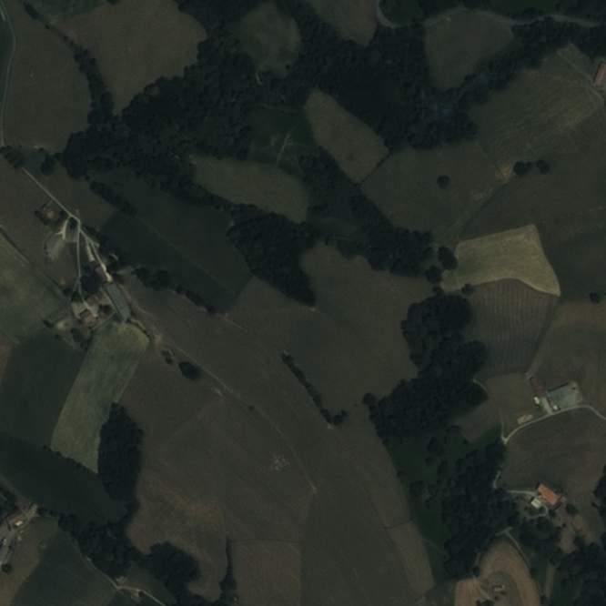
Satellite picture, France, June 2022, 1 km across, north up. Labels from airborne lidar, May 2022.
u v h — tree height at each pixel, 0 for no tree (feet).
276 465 0
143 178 54
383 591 0
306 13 54
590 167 0
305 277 57
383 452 0
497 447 50
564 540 0
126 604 0
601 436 0
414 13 0
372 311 0
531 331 0
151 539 0
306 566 0
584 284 0
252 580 0
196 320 0
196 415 0
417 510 0
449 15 0
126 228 0
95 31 0
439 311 61
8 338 0
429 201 0
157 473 0
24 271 0
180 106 51
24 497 0
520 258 0
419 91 27
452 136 75
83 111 0
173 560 86
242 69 102
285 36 0
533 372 0
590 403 0
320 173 27
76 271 0
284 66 0
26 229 0
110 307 36
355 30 0
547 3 0
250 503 0
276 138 0
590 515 0
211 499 0
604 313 0
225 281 0
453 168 0
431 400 41
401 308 0
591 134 0
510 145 0
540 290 0
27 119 0
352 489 0
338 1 0
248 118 32
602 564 50
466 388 56
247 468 0
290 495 0
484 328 0
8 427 0
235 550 0
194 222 0
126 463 64
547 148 0
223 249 0
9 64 0
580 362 0
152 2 0
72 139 38
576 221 0
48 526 0
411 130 69
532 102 0
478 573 29
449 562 33
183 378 0
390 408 75
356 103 39
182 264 0
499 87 51
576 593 53
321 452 0
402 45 69
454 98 52
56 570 0
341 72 48
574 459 0
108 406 0
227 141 49
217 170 0
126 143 32
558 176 0
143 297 0
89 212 0
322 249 0
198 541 0
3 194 0
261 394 0
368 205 35
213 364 0
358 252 20
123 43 0
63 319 0
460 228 0
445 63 0
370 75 31
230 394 0
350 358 0
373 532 0
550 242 0
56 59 0
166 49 0
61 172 0
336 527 0
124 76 0
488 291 0
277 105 25
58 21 0
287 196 0
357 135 0
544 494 0
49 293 0
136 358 0
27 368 0
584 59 0
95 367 0
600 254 0
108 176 0
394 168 0
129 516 23
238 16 29
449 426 32
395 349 0
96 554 40
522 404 0
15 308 0
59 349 0
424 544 0
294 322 0
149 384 0
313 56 61
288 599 0
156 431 0
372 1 0
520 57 24
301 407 0
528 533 50
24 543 0
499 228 0
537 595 0
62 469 0
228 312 0
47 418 0
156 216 0
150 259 0
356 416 0
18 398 0
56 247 0
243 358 0
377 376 0
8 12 0
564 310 0
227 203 27
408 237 72
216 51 67
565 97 0
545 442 0
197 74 60
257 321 0
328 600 0
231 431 0
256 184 0
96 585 0
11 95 0
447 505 49
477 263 0
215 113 30
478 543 61
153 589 0
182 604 58
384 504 0
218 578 0
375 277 0
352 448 0
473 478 67
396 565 0
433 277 59
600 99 0
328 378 0
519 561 0
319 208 44
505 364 0
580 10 63
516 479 0
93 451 0
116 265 45
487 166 0
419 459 0
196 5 38
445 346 52
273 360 0
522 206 0
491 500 57
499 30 0
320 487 0
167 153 28
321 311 0
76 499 0
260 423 0
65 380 0
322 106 0
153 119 72
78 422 0
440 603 0
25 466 0
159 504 0
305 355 0
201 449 0
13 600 0
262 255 57
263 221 64
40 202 0
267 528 0
